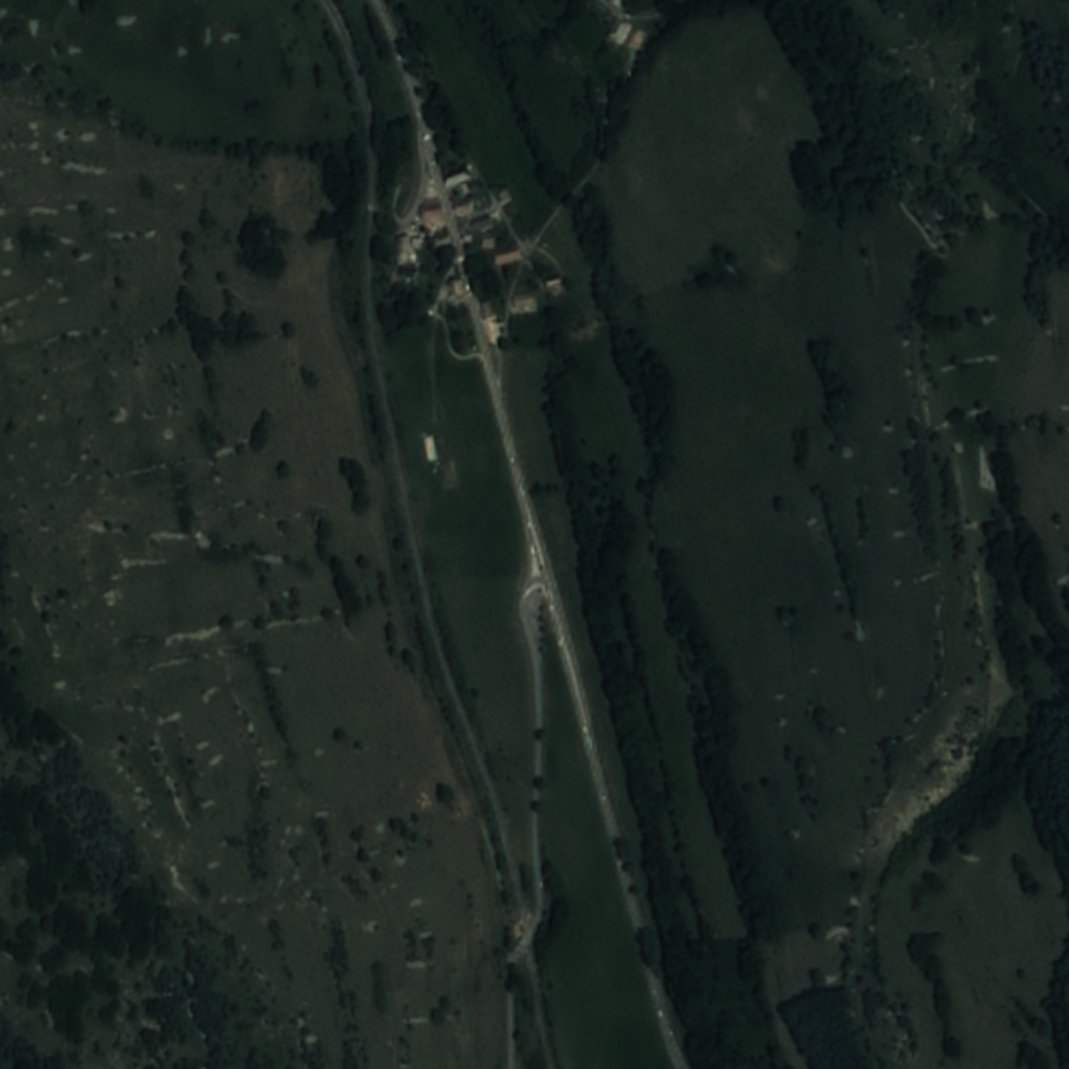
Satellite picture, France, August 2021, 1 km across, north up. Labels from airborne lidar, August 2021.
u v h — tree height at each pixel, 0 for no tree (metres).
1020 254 0
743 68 0
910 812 0
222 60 0
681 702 0
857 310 0
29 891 6
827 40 23
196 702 0
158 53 0
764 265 0
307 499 0
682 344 0
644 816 19
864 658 0
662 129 0
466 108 0
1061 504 0
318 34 0
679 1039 0
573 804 0
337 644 0
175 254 0
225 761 0
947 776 0
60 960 9
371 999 0
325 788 0
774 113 0
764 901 20
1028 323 0
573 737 0
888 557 0
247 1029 6
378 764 0
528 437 0
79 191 0
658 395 22
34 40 0
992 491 0
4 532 7
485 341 0
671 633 10
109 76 0
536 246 0
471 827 0
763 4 20
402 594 0
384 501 0
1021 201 6
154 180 0
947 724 0
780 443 0
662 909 23
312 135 0
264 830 7
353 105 10
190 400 0
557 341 18
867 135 19
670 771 9
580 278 0
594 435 0
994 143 7
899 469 0
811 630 0
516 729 0
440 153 8
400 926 0
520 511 0
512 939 12
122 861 7
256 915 0
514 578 0
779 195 0
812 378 0
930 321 11
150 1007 10
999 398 0
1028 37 13
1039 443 0
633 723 19
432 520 0
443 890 0
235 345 8
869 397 0
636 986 0
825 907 0
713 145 0
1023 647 21
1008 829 0
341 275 0
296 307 0
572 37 0
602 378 0
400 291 9
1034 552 22
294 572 0
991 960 0
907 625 0
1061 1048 19
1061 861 18
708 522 0
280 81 0
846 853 0
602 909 0
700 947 15
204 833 0
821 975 9
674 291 0
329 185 16
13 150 0
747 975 14
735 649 0
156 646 0
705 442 0
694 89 0
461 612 0
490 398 0
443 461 0
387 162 14
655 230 0
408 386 0
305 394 0
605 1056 0
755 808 0
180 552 0
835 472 0
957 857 0
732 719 14
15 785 8
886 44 0
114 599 0
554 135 0
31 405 0
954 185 10
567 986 0
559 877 15
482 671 0
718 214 0
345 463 13
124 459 0
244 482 0
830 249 0
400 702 0
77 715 0
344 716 0
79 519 0
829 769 0
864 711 0
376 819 0
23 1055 10
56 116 0
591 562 19
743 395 0
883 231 0
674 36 9
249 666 0
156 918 7
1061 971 15
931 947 8
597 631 19
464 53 0
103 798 11
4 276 0
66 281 0
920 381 0
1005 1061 0
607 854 0
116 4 0
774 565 0
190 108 0
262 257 15
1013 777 14
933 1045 0
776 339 0
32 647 0
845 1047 17
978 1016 0
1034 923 0
